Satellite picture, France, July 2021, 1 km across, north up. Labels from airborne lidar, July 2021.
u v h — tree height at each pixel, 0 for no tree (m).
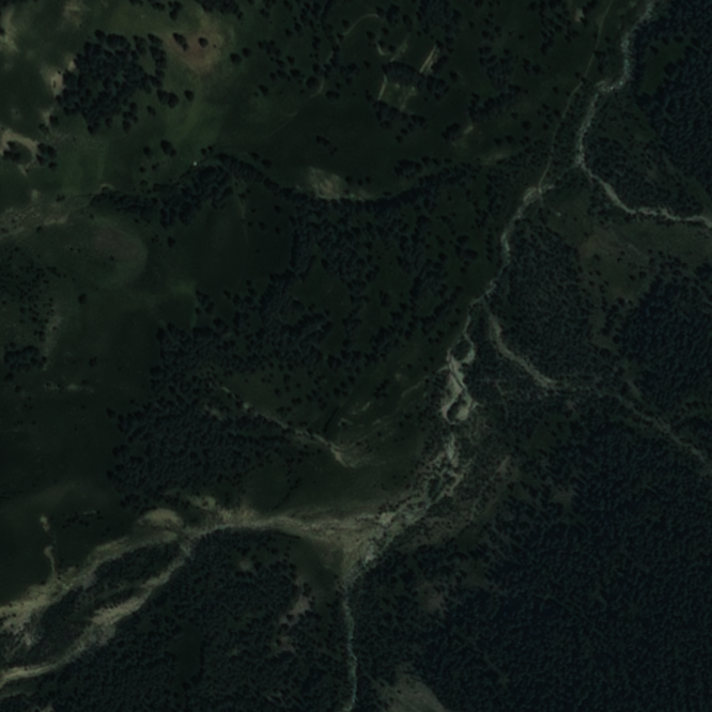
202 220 0
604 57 21
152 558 6
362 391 0
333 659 17
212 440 19
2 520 0
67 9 0
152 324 0
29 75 0
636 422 14
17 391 12
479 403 6
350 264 26
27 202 0
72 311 0
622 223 0
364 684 15
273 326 32
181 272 0
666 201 11
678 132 20
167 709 25
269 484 0
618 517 30
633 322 5
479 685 28
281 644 18
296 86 0
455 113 0
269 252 0
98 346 0
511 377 7
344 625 6
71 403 0
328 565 0
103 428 0
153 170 6
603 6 0
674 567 22
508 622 22
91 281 0
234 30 0
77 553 0
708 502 17
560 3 17
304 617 19
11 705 15
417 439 0
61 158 0
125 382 0
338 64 26
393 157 0
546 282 16
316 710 26
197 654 0
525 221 7
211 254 0
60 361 0
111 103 24
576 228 0
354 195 0
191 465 26
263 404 0
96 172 0
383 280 0
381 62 0
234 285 0
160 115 0
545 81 0
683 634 30
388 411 0
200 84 0
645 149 7
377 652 21
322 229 32
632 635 31
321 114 0
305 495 0
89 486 0
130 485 23
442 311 27
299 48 0
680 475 24
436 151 0
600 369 14
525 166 8
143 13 0
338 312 0
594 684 20
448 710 7
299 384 12
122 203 15
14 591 0
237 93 0
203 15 0
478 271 0
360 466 0
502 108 19
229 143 0
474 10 0
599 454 26
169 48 0
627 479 29
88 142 0
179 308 0
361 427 0
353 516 0
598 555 28
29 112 0
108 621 0
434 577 22
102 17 0
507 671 27
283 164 0
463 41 0
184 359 28
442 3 27
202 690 21
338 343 0
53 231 0
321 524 0
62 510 0
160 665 28
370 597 12
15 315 0
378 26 0
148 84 23
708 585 25
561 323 12
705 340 23
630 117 7
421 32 13
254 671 25
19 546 0
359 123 0
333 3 18
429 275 28
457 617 14
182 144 0
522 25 0
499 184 15
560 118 20
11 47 0
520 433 11
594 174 10
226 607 19
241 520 0
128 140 0
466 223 0
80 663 11
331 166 0
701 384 27
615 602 24
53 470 0
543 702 21
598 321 0
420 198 14
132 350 0
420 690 0
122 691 17
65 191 0
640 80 24
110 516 0
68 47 0
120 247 0
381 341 28
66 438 0
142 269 0
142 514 11
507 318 12
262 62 0
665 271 13
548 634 23
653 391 21
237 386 0
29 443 0
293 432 9
